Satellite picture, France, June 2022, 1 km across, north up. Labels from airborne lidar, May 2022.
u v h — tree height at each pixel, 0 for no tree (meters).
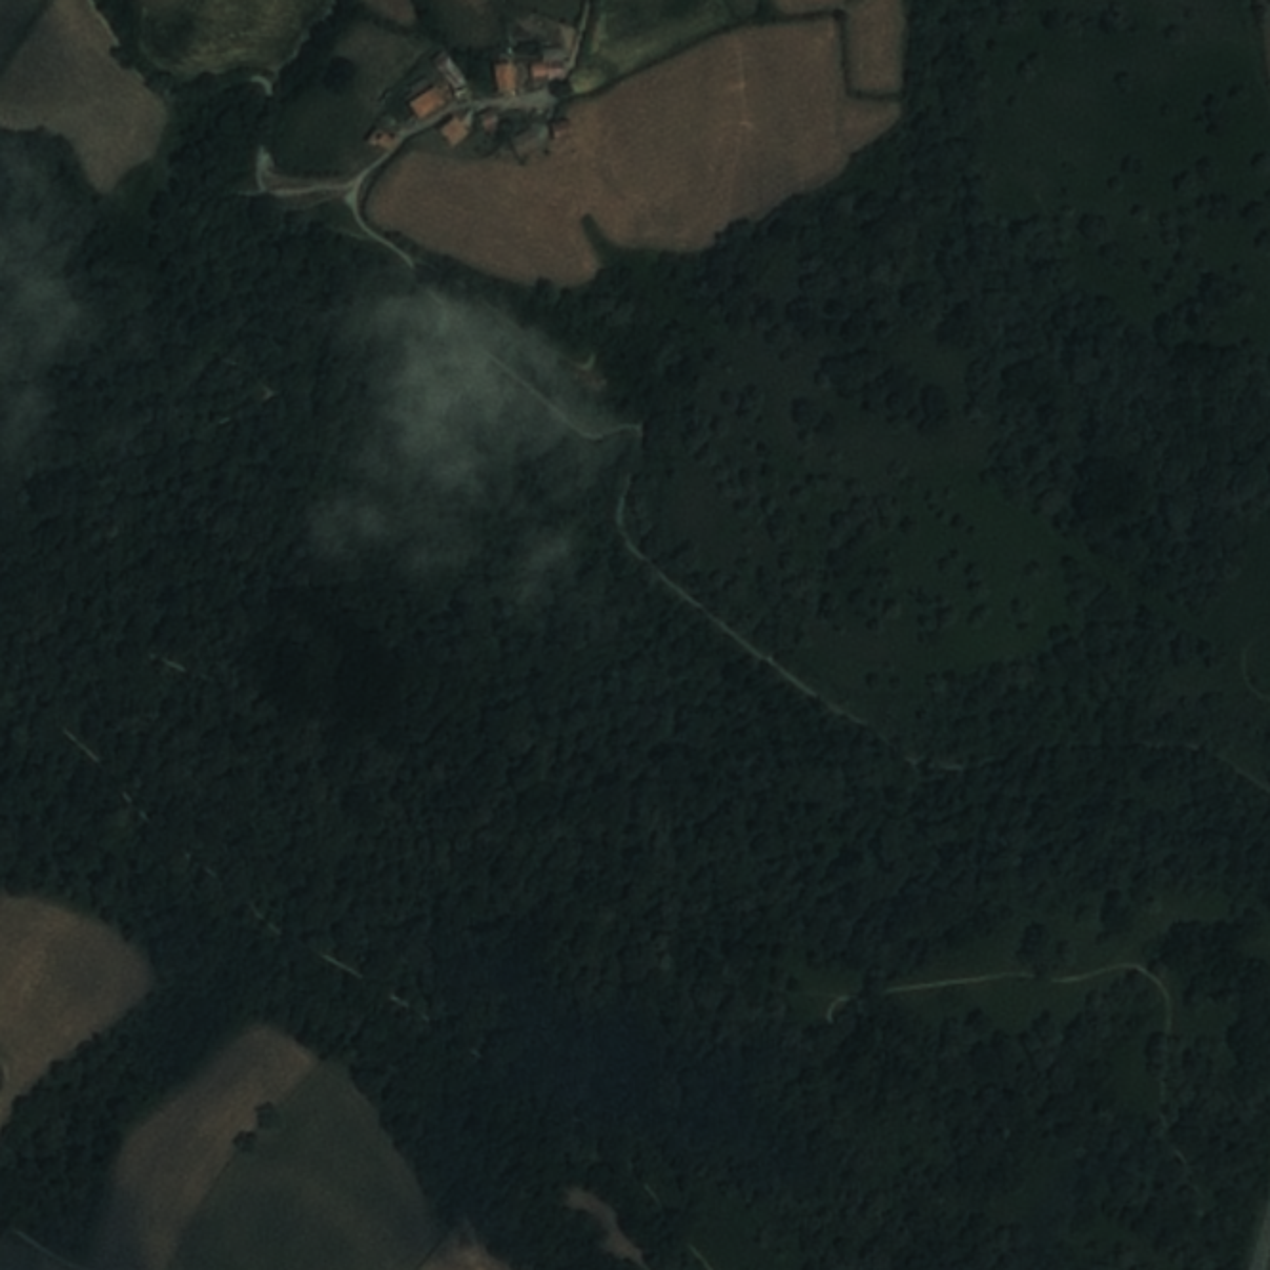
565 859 14
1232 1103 20
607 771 9
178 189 18
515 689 6
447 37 7
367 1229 0
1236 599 0
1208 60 0
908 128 6
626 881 15
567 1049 16
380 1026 23
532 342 10
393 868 13
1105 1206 7
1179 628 14
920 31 16
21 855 11
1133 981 16
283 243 19
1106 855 8
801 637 11
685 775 22
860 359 14
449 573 17
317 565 20
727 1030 18
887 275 13
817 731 13
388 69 0
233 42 0
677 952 8
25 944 0
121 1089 18
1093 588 19
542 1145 17
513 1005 14
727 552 0
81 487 24
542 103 0
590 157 0
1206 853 19
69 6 0
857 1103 13
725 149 0
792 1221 12
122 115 0
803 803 8
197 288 9
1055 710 12
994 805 19
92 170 0
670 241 0
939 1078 8
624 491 8
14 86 0
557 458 17
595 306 17
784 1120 11
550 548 12
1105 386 23
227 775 11
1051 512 10
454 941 18
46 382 29
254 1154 15
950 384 0
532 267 0
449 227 0
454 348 14
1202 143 0
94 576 9
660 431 12
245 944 13
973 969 0
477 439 24
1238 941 12
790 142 0
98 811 15
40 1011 0
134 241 10
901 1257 12
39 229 11
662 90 0
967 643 0
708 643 20
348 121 0
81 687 13
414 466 19
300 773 15
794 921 9
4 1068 0
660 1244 15
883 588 9
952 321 13
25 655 21
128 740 19
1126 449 29
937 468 0
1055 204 0
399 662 24
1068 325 17
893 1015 14
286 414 10
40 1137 19
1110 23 17
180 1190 0
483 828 13
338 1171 0
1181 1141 17
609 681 21
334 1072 0
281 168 7
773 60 0
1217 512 20
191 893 7
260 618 25
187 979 11
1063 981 0
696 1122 9
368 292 10
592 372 0
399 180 0
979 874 10
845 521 16
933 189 20
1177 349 17
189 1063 10
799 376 0
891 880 17
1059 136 0
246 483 9
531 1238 11
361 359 14
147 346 19
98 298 27
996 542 0
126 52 10
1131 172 12
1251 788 15
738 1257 0
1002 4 14
